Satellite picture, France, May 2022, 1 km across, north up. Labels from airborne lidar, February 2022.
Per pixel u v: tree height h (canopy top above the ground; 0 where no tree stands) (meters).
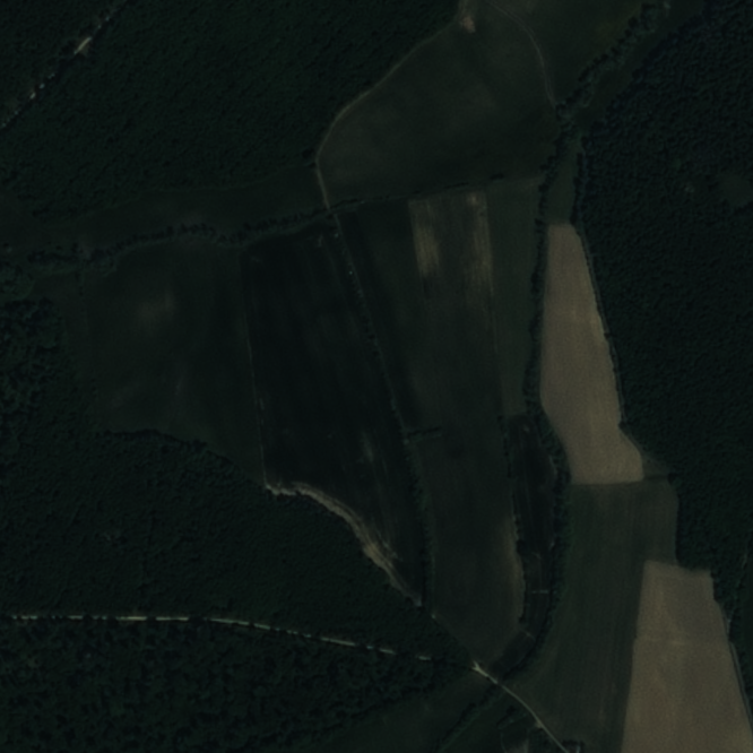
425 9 18
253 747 20
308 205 0
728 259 17
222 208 0
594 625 0
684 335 16
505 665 0
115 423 0
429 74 0
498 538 0
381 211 0
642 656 0
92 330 0
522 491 0
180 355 0
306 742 18
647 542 0
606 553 0
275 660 9
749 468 15
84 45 0
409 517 0
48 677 9
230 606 13
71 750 30
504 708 0
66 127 17
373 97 0
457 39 0
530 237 0
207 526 14
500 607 0
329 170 0
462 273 0
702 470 18
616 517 0
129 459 16
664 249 19
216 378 0
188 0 17
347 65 17
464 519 0
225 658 31
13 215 0
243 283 0
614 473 0
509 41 0
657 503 0
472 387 0
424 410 0
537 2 0
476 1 0
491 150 0
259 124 18
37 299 0
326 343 0
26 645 30
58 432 16
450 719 0
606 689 0
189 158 16
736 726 0
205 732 6
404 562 0
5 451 28
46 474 14
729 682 0
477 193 0
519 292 0
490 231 0
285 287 0
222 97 18
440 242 0
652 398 16
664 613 0
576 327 0
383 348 0
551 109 0
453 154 0
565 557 18
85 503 14
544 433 21
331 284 0
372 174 0
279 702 7
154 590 16
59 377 16
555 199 0
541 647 15
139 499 19
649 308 18
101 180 17
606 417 0
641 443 10
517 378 0
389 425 0
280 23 16
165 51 14
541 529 0
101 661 31
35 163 17
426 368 0
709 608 0
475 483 0
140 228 0
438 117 0
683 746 0
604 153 19
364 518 0
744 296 21
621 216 19
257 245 0
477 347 0
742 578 7
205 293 0
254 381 0
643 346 15
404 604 17
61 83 18
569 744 11
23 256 0
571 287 0
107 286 0
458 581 0
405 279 0
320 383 0
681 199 17
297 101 19
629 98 16
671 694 0
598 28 0
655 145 22
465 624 0
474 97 0
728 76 23
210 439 0
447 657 13
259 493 10
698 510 16
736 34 25
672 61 19
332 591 19
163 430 0
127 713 25
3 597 16
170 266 0
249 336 0
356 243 0
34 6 20
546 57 0
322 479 0
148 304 0
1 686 30
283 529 16
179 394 0
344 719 25
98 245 0
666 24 0
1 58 22
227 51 16
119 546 15
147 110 18
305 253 0
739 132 16
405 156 0
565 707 0
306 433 0
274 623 18
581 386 0
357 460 0
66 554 17
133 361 0
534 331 17
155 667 33
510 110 0
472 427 0
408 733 0
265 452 0
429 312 0
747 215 16
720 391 22
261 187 0
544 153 0
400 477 0
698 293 18
